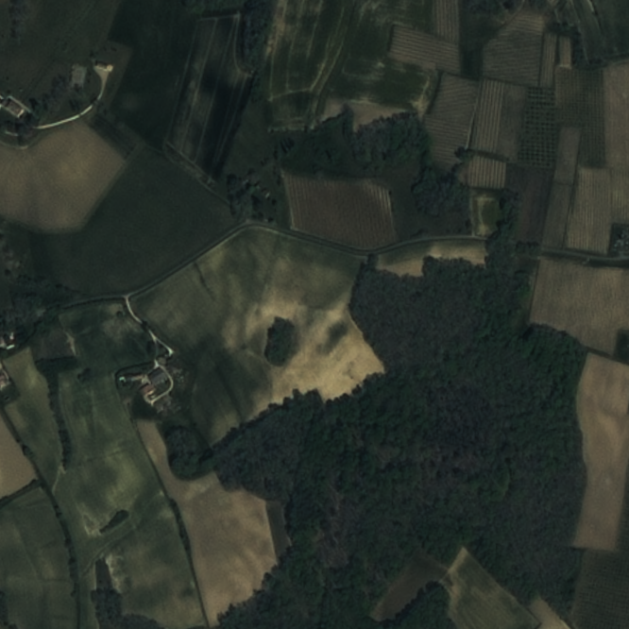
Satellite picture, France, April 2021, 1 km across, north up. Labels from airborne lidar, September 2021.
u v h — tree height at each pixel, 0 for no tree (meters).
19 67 0
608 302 0
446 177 0
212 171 0
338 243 0
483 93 0
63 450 0
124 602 15
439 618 25
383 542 24
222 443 0
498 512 21
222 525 0
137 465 0
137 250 0
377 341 14
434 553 22
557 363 27
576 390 18
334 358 0
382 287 19
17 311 17
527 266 0
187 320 0
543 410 16
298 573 23
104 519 0
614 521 0
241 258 0
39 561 0
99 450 0
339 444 21
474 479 18
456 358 18
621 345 0
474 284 24
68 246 0
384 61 0
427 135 22
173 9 0
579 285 0
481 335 24
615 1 0
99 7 0
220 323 0
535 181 0
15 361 0
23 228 0
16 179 0
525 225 0
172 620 0
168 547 0
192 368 0
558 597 13
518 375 21
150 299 0
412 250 0
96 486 0
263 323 0
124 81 0
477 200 0
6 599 17
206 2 21
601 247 0
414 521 22
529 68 0
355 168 0
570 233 0
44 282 13
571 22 0
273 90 0
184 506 0
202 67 0
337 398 0
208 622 0
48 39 0
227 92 0
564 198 0
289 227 0
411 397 23
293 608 21
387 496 21
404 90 0
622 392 0
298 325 0
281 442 19
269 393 0
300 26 0
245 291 0
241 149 0
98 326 0
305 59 0
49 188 0
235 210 18
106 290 0
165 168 0
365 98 0
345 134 7
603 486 0
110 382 0
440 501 21
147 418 0
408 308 17
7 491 0
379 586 19
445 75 0
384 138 24
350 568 9
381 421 25
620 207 0
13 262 13
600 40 0
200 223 0
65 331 0
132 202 0
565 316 0
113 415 0
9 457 0
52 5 0
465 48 0
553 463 25
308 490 22
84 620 0
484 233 0
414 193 11
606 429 0
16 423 0
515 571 24
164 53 0
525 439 27
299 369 0
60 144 0
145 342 0
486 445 15
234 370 0
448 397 23
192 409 0
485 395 19
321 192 0
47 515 0
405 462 15
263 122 0
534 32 0
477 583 0
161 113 0
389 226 0
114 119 0
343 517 11
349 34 0
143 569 0
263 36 21
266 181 0
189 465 18
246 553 0
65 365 0
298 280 0
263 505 0
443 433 23
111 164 0
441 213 12
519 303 20
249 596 0
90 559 0
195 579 0
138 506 0
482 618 0
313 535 23
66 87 26
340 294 0
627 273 0
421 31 0
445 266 19
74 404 0
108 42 0
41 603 0
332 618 23
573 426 21
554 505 21
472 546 12
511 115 0
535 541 22
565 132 0
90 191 0
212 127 0
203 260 0
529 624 0
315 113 0
